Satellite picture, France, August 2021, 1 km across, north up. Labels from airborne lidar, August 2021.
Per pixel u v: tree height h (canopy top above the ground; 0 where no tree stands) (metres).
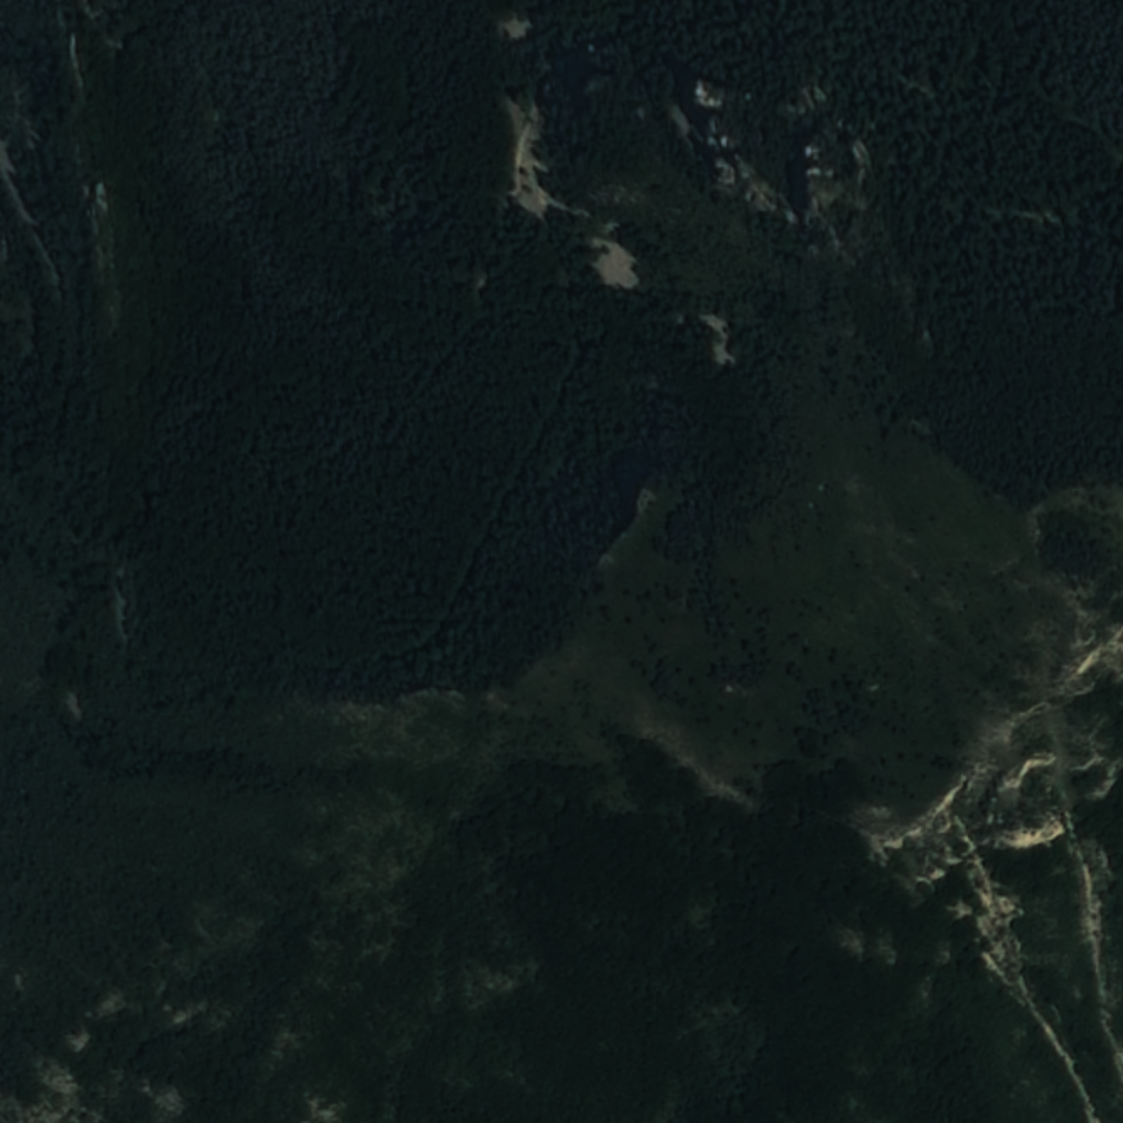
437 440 20
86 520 10
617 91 12
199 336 24
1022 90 22
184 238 21
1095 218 24
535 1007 11
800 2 21
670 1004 9
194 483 17
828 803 11
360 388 18
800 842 14
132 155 20
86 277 10
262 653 13
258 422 20
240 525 18
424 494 19
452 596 19
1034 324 22
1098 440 14
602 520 13
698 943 11
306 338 25
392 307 24
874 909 10
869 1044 10
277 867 6
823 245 6
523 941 7
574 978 11
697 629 0
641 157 12
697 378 13
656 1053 10
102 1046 8
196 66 13
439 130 21
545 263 18
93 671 10
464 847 15
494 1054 6
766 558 0
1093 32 14
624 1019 12
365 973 8
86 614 9
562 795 9
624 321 13
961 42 26
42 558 9
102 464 9
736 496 8
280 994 9
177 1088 8
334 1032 6
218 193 20
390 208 13
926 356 8
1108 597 7
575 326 14
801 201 8
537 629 12
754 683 10
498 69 20
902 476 0
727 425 12
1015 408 17
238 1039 8
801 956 11
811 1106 13
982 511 0
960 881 13
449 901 15
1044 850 11
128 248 12
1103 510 7
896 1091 10
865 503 0
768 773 8
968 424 18
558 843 13
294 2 18
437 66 23
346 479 22
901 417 7
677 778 11
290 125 14
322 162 16
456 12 25
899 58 23
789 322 15
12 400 8
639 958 13
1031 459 13
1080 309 7
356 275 22
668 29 23
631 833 12
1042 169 11
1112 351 20
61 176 11
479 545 13
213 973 6
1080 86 14
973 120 20
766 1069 12
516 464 17
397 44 16
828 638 0
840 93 10
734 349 10
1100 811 14
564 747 8
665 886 10
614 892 12
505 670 13
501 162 19
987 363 19
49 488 7
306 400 23
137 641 7
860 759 0
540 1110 8
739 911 14
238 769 14
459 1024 10
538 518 13
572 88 10
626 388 11
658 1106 7
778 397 9
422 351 20
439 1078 6
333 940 8
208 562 21
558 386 12
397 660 8
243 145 17
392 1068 8
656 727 0
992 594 0
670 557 10
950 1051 12
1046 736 6
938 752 0
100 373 10
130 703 7
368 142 14
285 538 18
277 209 23
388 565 21
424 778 7
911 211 14
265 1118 7
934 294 10
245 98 15
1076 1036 11
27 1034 8
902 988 11
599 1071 11
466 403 15
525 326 18
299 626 18
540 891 11
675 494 8
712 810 11
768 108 12
